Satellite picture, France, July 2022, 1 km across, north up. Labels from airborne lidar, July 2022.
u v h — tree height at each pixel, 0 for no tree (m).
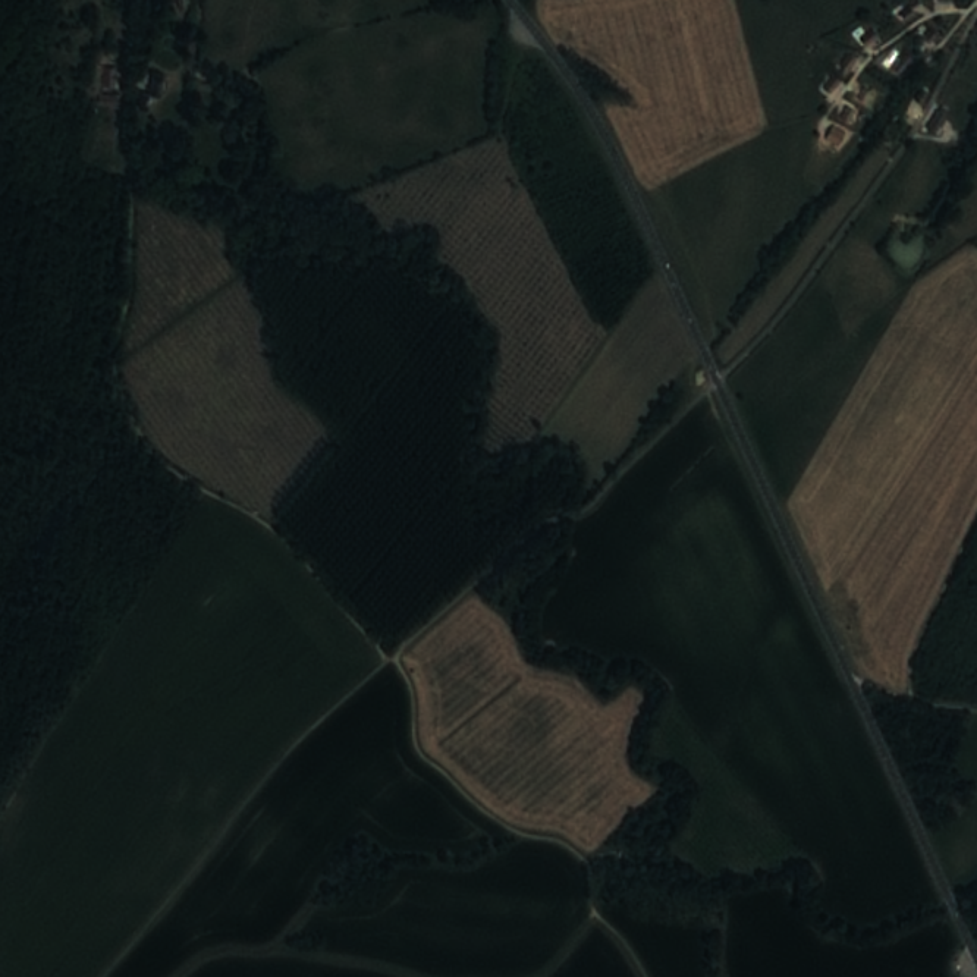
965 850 0
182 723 0
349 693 0
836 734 0
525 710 0
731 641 0
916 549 0
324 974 0
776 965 0
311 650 0
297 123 0
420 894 0
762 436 0
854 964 0
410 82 0
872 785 0
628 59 0
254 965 0
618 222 5
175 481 19
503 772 0
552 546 28
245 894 0
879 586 0
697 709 0
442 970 0
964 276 0
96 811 0
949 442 0
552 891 0
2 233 21
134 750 0
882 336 0
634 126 0
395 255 28
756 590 0
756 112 0
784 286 0
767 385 0
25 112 7
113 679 0
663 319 0
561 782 0
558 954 0
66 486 14
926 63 11
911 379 0
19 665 14
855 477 0
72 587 17
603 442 0
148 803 0
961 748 6
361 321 27
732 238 0
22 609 19
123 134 18
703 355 0
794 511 0
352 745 0
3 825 0
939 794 20
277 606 0
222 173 13
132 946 0
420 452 24
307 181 0
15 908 0
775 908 0
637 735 12
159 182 35
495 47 11
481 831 0
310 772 0
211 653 0
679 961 0
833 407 0
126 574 14
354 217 33
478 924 0
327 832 0
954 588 9
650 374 0
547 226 6
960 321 0
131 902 0
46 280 16
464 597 0
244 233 17
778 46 0
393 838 0
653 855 17
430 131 0
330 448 23
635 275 7
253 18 0
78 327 16
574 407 0
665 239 0
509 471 21
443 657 0
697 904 32
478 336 20
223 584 0
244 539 0
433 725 0
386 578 21
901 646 0
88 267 16
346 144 0
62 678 12
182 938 0
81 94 16
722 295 0
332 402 25
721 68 0
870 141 15
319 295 27
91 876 0
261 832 0
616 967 0
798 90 0
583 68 18
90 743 0
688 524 0
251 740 0
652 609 0
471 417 14
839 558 0
